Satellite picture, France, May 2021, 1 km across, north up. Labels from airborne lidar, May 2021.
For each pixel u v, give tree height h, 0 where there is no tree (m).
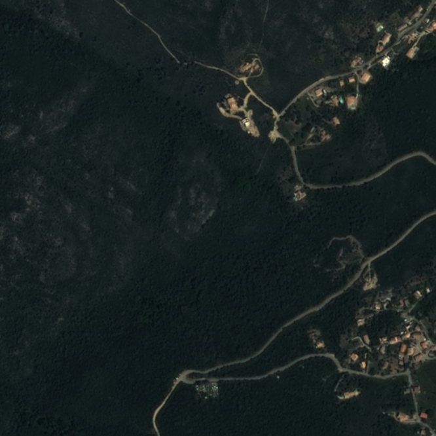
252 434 12
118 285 6
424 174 8
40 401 11
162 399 9
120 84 9
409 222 8
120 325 11
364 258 8
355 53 8
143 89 13
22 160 14
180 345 8
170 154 13
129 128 6
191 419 10
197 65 8
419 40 0
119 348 8
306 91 0
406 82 6
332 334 8
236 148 9
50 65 5
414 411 8
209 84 6
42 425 18
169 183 6
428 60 10
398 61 11
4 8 13
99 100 5
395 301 12
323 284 8
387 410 13
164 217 9
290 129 0
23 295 8
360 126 10
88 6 0
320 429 7
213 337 15
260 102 6
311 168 8
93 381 8
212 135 15
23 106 10
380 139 0
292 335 8
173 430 7
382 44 9
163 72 10
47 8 10
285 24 0
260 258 12
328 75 0
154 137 6
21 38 6
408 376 0
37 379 6
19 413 21
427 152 9
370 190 9
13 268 6
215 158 7
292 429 15
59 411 12
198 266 12
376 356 9
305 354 7
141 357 9
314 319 8
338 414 8
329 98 10
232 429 9
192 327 10
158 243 7
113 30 0
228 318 9
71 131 6
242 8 0
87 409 6
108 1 0
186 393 8
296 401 13
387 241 11
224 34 0
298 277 11
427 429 8
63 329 9
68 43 11
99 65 7
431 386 0
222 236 9
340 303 9
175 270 7
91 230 6
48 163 6
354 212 9
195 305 14
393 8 8
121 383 8
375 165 0
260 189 11
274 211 8
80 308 10
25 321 8
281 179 8
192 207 6
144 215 6
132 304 10
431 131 6
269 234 8
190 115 7
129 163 7
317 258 8
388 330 6
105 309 8
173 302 9
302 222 13
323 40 9
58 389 12
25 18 14
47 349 12
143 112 7
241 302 15
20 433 22
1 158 8
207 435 8
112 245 7
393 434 13
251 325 7
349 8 6
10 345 7
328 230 6
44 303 6
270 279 18
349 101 0
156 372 8
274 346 7
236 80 0
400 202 7
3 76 9
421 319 8
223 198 10
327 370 6
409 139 11
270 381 7
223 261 14
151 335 6
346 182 7
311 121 7
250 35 0
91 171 11
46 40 6
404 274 0
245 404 13
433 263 10
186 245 9
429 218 7
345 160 0
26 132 6
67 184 7
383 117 8
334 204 9
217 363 12
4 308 8
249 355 9
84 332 16
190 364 9
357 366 6
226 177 8
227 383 8
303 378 8
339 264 7
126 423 11
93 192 6
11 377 9
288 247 9
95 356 8
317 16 0
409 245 6
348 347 0
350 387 10
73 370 11
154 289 9
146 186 8
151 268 11
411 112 9
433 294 8
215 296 11
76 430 16
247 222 6
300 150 9
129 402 7
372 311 6
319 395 9
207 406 8
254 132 0
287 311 7
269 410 9
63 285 6
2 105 10
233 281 14
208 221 14
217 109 0
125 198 6
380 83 8
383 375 7
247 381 10
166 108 8
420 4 11
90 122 7
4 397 19
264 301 14
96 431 12
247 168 10
